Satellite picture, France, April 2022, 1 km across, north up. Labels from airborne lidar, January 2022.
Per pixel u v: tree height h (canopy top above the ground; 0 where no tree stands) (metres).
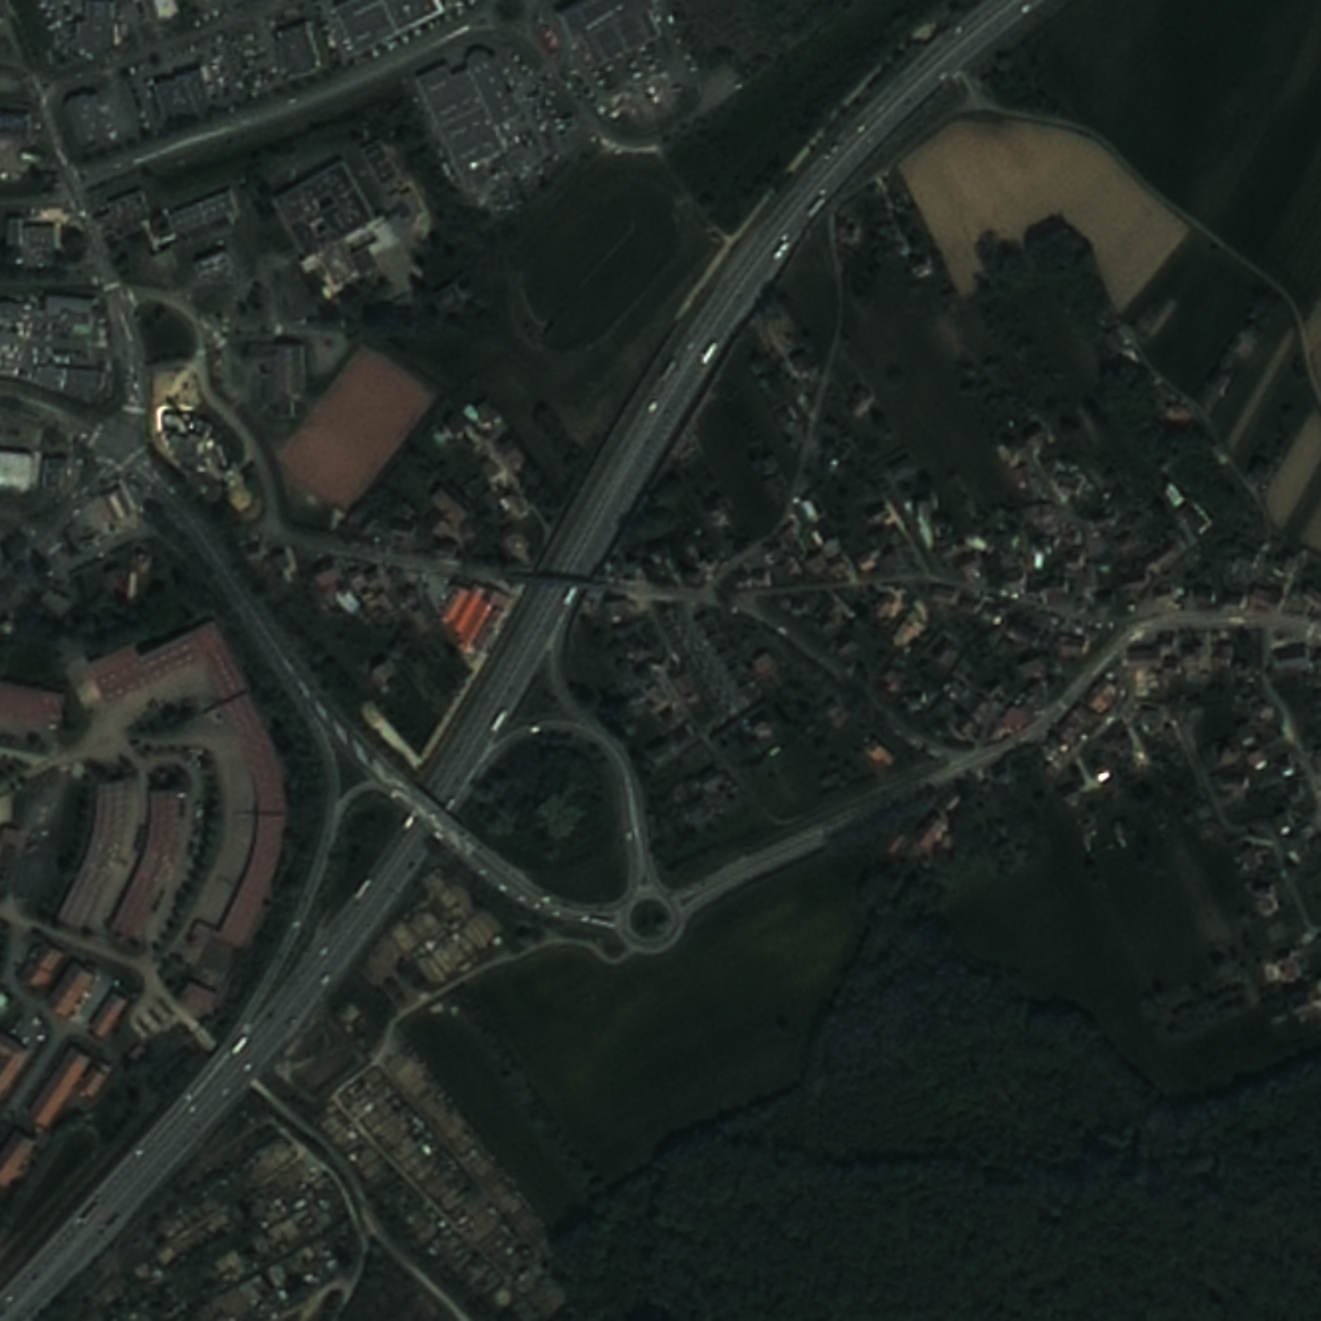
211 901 0
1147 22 0
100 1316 0
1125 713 0
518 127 0
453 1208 0
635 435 0
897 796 0
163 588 12
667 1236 24
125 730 0
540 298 0
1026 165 0
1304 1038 0
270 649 0
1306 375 14
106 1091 0
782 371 8
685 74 0
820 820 0
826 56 0
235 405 0
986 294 10
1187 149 0
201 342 0
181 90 0
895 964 21
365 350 0
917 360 0
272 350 0
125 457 0
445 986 0
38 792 0
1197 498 15
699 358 0
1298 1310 23
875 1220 19
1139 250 0
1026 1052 19
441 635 0
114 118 0
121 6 0
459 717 0
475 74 0
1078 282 17
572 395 0
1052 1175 22
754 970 0
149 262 0
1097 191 0
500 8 0
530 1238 0
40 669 0
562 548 0
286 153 7
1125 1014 0
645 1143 0
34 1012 0
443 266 0
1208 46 0
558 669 0
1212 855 0
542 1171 0
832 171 0
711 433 0
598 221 0
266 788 0
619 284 0
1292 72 0
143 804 0
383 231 0
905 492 10
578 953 0
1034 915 0
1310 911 0
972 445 0
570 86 0
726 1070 0
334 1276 0
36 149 6
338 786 0
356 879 0
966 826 21
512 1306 0
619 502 0
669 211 0
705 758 0
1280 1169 20
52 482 0
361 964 0
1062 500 0
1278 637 0
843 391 0
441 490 0
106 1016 0
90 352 0
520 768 17
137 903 0
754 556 0
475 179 0
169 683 0
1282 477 0
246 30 0
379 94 0
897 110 0
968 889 0
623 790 0
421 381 0
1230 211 0
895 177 0
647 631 9
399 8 0
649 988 0
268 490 0
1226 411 0
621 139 0
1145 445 14
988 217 0
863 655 0
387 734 0
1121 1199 22
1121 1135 27
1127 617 0
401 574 7
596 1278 22
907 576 0
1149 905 0
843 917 0
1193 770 0
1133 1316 22
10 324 0
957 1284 24
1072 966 0
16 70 0
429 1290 0
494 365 0
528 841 7
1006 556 0
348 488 0
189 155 0
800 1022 0
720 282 0
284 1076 0
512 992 0
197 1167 0
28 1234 0
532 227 0
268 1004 0
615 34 0
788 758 0
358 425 0
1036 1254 21
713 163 0
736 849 0
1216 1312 21
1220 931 0
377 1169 0
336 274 0
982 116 0
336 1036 0
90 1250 0
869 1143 6
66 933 0
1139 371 16
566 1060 0
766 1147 26
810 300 0
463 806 0
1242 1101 17
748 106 0
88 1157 0
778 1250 19
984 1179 19
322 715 0
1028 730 0
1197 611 0
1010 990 15
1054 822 0
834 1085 6
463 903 0
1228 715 0
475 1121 0
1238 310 0
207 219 0
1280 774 6
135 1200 0
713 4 0
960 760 0
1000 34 0
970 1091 20
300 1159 0
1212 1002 8
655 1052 0
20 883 0
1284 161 0
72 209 0
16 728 0
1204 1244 21
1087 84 0
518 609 0
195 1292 0
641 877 0
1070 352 0
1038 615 0
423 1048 0
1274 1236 21
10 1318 0
